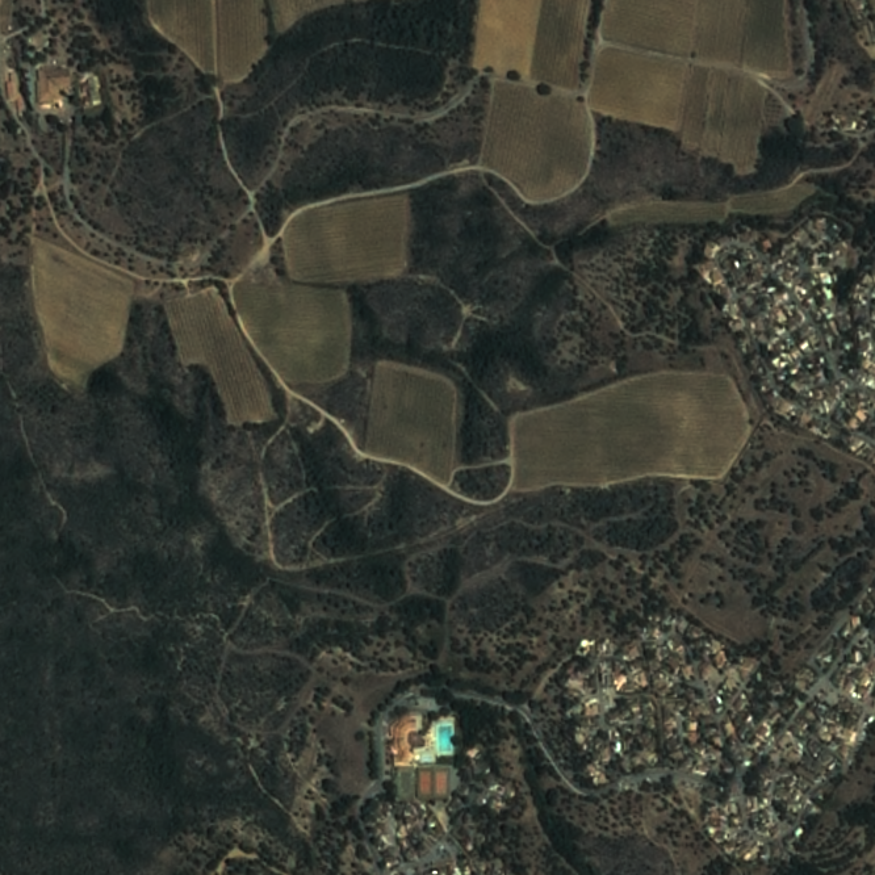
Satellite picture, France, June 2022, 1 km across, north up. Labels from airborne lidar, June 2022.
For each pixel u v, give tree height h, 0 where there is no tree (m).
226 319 0
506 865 6
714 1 0
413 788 0
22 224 7
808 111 0
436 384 0
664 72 0
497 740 6
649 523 9
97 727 6
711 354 0
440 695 9
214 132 8
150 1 0
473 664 9
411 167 0
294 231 0
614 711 5
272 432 6
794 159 6
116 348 0
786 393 8
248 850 8
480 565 0
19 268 6
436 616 9
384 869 8
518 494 0
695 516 10
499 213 0
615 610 7
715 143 0
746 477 6
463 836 6
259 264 0
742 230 7
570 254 7
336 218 0
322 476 12
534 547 9
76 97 11
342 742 0
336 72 6
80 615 7
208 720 0
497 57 0
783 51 0
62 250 0
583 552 7
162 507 7
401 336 0
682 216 0
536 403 0
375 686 0
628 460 0
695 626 8
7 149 0
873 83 20
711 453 0
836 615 8
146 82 9
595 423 0
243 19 0
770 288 11
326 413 0
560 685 10
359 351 8
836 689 0
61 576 9
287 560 0
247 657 0
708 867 6
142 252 8
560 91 0
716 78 0
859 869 7
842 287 10
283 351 0
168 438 9
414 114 6
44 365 0
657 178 0
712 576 0
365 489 0
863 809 7
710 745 7
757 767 8
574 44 0
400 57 5
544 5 0
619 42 0
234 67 0
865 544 10
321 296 0
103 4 10
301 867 6
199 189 7
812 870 10
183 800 6
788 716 6
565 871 7
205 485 0
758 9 0
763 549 12
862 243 12
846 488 6
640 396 0
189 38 0
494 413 6
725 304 10
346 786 0
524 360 6
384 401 0
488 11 0
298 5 0
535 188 0
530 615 8
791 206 0
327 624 8
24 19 7
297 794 0
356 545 7
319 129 5
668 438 0
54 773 6
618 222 0
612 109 0
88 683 7
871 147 6
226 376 0
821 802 8
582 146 0
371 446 0
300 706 0
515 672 6
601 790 8
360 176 7
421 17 7
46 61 6
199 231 0
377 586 6
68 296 0
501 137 0
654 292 8
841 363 6
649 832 0
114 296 0
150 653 8
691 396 0
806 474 9
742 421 0
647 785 7
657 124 0
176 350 8
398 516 7
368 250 0
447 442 0
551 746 6
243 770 8
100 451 7
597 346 6
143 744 7
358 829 6
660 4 0
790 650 8
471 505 0
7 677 6
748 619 0
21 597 8
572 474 0
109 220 0
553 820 9
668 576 9
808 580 0
